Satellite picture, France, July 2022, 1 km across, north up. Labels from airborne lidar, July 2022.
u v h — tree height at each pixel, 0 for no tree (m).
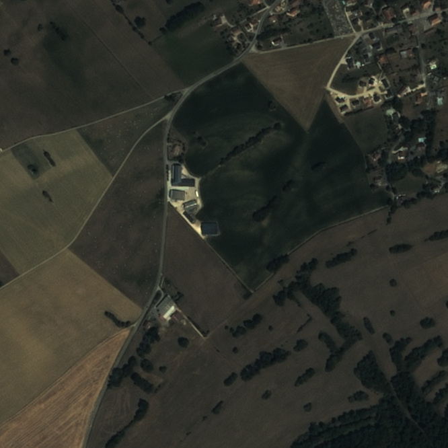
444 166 0
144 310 0
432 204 0
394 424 18
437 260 0
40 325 0
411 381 15
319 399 0
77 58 0
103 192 0
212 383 0
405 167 19
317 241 0
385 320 0
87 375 0
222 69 0
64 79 0
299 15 8
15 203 0
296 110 0
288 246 0
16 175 0
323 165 13
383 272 0
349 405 0
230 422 0
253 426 0
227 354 0
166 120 0
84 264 0
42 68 0
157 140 0
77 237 0
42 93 0
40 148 0
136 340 0
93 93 0
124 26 0
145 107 0
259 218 17
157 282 0
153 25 0
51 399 0
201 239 0
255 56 0
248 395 0
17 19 0
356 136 0
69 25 0
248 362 0
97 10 0
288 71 0
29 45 0
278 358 17
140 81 0
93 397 0
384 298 0
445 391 12
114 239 0
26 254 0
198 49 0
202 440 0
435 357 0
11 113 0
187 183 0
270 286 0
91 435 0
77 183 0
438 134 0
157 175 0
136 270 0
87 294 0
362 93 0
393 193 9
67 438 0
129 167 0
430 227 0
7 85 0
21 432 0
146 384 18
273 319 0
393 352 10
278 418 0
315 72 0
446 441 18
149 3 0
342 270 0
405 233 0
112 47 0
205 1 0
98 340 0
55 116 0
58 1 0
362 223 0
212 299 0
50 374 0
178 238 0
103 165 0
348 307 0
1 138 0
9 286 0
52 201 8
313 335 0
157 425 0
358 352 0
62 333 0
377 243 0
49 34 0
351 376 0
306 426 0
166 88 0
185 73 0
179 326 0
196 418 0
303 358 0
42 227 0
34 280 0
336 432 15
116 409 0
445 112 0
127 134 0
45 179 0
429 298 0
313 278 0
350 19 0
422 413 21
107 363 0
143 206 0
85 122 0
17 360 0
